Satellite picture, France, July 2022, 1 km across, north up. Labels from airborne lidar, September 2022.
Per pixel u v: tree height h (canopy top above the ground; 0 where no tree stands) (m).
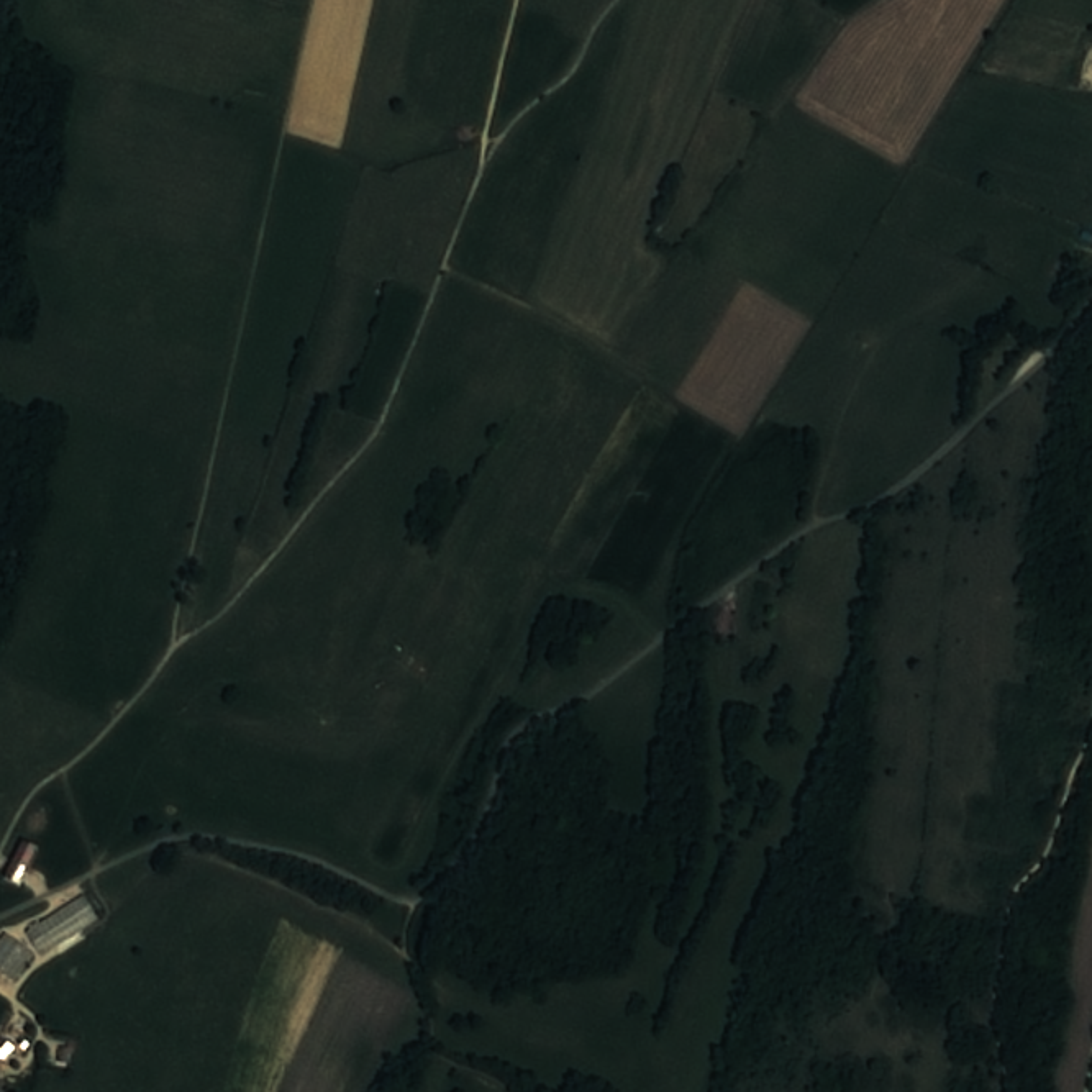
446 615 0
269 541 0
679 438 0
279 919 0
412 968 12
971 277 0
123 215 0
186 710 0
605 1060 0
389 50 0
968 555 0
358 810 0
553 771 17
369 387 0
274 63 0
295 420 0
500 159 0
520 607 0
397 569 0
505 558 0
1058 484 9
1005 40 0
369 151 0
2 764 0
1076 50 0
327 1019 0
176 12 0
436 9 0
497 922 7
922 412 0
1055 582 11
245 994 0
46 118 16
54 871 0
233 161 0
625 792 0
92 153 0
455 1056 5
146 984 0
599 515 0
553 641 7
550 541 0
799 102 0
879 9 0
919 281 0
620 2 0
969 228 0
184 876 0
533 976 11
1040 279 0
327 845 0
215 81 0
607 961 7
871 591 16
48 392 0
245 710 0
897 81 0
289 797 0
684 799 8
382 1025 0
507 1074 12
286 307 0
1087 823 17
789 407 0
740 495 0
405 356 0
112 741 0
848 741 21
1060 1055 21
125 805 0
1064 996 18
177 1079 0
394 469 0
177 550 0
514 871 11
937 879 0
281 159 0
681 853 9
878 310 0
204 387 0
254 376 0
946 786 0
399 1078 19
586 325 0
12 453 10
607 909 5
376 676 0
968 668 0
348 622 0
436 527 13
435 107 0
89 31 0
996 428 12
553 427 0
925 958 9
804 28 0
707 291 0
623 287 0
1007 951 11
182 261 0
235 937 0
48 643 0
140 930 0
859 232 0
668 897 13
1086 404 18
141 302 0
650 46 0
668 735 15
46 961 0
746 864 0
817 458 12
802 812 24
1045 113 0
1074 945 17
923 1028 0
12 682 0
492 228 0
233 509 0
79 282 0
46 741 0
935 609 0
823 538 0
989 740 0
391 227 0
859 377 0
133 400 0
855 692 15
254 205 0
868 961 8
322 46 0
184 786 0
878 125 0
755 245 0
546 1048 0
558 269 0
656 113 0
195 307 0
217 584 0
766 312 0
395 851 0
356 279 0
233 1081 0
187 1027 0
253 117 0
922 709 0
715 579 0
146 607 0
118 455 0
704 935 10
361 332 0
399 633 0
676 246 8
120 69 0
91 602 0
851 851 16
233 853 7
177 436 0
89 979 0
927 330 0
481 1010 0
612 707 0
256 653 0
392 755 0
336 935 0
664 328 0
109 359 0
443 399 0
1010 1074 12
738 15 0
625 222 0
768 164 0
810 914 19
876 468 0
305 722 0
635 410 0
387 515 0
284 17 0
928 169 0
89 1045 0
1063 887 19
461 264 0
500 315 0
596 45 0
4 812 0
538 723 16
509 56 0
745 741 18
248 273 0
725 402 0
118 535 0
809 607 0
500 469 0
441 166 0
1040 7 0
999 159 0
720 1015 0
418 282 0
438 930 22
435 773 0
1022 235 0
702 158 0
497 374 0
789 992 7
